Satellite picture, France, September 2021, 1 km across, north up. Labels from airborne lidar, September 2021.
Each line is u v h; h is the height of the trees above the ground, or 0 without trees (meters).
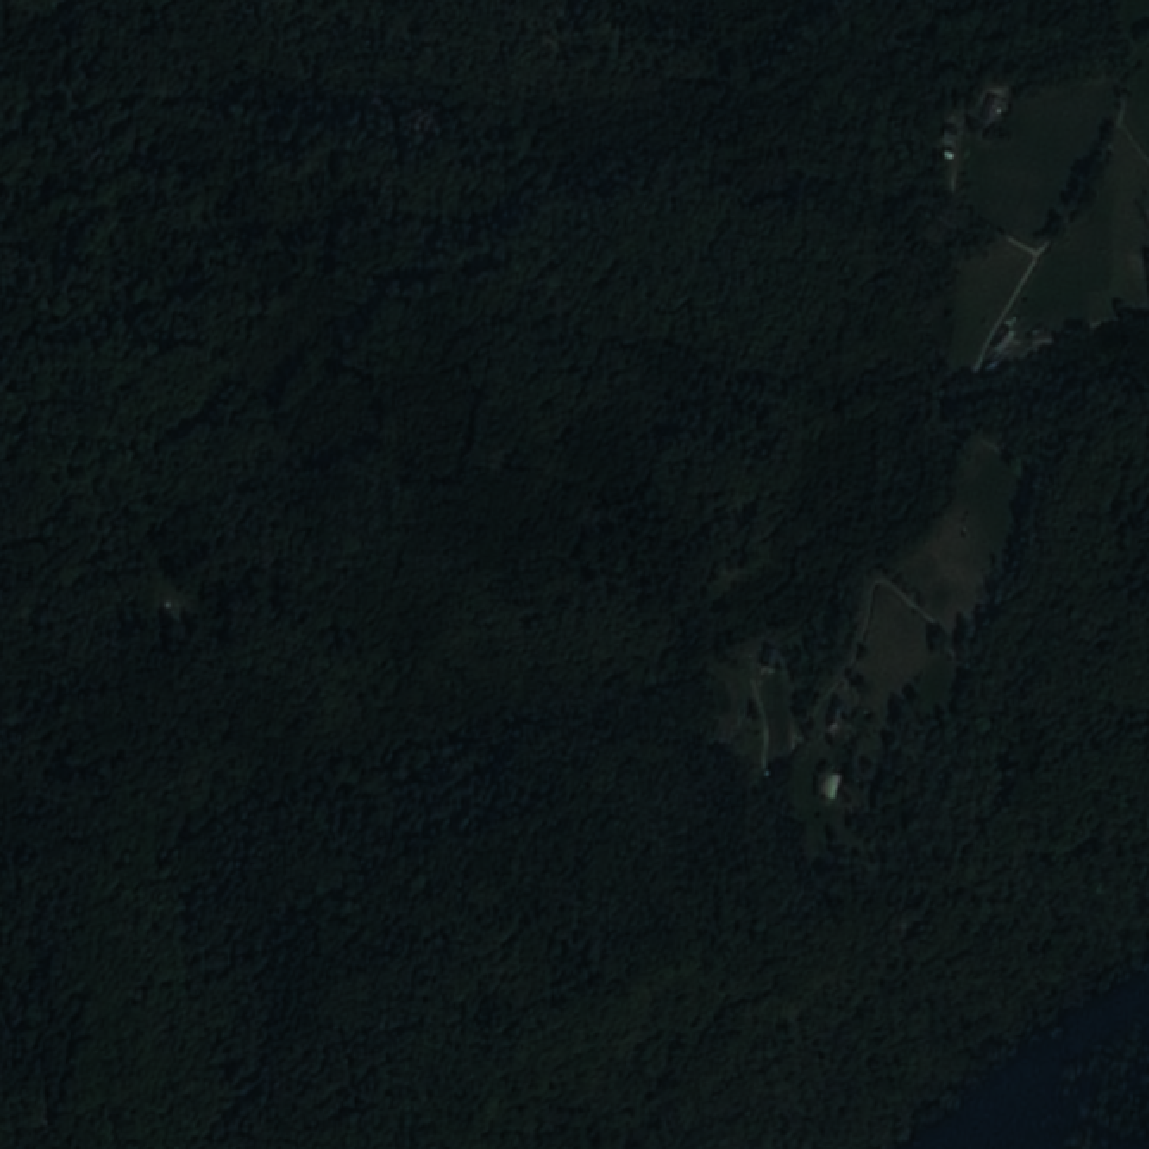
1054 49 17
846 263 22
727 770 26
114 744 26
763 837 27
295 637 30
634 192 25
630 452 26
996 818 21
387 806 20
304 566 28
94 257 24
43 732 23
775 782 17
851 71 25
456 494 22
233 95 16
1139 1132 32
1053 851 33
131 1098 26
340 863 24
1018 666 24
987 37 23
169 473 23
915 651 0
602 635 23
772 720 0
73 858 29
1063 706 22
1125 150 0
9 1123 22
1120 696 19
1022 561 20
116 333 28
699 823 28
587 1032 20
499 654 26
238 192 13
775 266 22
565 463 26
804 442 18
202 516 30
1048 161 0
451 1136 21
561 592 27
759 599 6
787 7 9
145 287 27
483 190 32
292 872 23
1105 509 19
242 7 20
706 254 22
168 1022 29
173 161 20
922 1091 28
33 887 28
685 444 24
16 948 28
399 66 27
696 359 22
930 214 19
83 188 33
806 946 25
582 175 21
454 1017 30
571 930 23
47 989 29
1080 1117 34
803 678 12
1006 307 0
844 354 19
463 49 21
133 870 30
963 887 22
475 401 8
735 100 20
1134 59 13
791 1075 25
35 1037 24
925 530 22
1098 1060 39
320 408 9
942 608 0
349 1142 25
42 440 24
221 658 29
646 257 27
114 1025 30
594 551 28
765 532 21
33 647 25
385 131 36
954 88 21
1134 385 25
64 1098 18
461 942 21
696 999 12
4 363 26
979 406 31
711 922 21
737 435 27
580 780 30
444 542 28
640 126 24
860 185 21
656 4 6
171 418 30
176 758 27
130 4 29
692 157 19
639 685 23
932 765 16
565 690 28
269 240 24
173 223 23
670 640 23
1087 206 21
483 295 28
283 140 34
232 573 23
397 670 28
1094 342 21
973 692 22
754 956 22
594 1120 27
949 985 30
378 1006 26
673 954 26
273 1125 24
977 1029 32
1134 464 25
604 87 17
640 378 25
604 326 31
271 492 27
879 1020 24
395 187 21
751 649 0
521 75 23
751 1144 10
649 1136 26
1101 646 6
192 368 21
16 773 24
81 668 22
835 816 0
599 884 25
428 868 26
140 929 30
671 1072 19
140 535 27
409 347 28
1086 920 31
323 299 9
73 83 28
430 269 33
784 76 20
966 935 25
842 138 20
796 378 19
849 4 25
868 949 22
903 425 18
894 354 20
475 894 24
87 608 27
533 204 24
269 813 15
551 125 21
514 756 28
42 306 24
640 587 17
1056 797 26
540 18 20
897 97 21
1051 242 11
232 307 28
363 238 29
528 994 13
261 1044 28
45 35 10
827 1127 21
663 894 23
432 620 25
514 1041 18
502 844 27
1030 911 31
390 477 25
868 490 10
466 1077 21
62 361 25
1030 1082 33
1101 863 27
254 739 30
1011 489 0
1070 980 34
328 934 26
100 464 17
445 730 27
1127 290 0
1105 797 25
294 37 26
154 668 26
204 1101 30
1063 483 19
